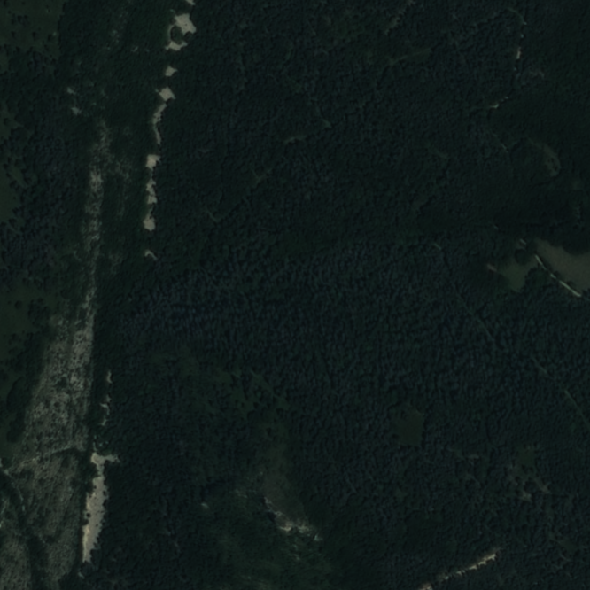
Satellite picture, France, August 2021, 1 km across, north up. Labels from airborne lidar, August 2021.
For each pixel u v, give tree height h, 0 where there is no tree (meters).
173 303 31
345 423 10
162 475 24
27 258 27
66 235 18
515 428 20
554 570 20
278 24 21
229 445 9
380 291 10
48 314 10
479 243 26
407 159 16
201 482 7
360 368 27
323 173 21
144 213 17
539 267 9
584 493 22
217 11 16
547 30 25
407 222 24
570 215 25
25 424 8
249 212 24
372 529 7
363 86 18
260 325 12
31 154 21
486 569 15
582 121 25
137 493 19
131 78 21
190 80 18
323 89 15
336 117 21
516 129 22
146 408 18
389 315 14
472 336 19
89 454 12
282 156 13
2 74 8
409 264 23
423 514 16
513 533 22
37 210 13
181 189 16
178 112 21
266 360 16
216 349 17
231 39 25
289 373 14
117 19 8
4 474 9
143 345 9
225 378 0
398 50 12
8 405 12
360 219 28
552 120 24
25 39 0
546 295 21
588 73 19
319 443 17
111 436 20
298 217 25
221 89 15
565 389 8
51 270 12
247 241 22
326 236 29
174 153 13
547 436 17
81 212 8
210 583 7
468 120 18
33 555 7
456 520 20
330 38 7
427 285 30
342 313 15
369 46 15
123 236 14
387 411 26
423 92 19
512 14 19
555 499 20
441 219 29
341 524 17
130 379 23
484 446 22
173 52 18
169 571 19
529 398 27
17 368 6
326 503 13
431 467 20
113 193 7
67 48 14
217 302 31
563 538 11
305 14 21
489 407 16
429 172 23
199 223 18
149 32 21
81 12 15
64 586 18
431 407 8
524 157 25
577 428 23
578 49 17
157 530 19
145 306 14
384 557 11
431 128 23
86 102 14
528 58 17
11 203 0
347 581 17
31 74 14
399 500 21
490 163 23
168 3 9
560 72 15
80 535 9
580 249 26
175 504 12
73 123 18
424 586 22
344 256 30
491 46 26
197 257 19
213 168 17
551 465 13
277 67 22
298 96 18
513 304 26
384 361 27
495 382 29
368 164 21
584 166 20
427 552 17
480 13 16
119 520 20
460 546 13
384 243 24
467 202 16
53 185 25
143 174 15
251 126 21
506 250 30
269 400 20
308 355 20
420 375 21
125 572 25
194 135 22
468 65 8
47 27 0
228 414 14
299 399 18
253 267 37
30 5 0
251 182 14
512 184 23
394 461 27
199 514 14
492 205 26
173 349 8
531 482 11
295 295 17
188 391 7
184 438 15
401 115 21
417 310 16
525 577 11
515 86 19
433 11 21
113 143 9
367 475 27
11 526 7
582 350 17
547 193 25
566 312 28
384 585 14
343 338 26
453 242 29
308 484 13
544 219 28
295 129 23
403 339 21
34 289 0
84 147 19
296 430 12
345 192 18
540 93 22
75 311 6
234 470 6
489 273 25
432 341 17
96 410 13
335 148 13
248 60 23
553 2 24
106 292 12
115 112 9
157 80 12
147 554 21
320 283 9
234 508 7
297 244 27
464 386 24
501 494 23
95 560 16
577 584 20
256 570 7
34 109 9
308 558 7
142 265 22
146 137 13
